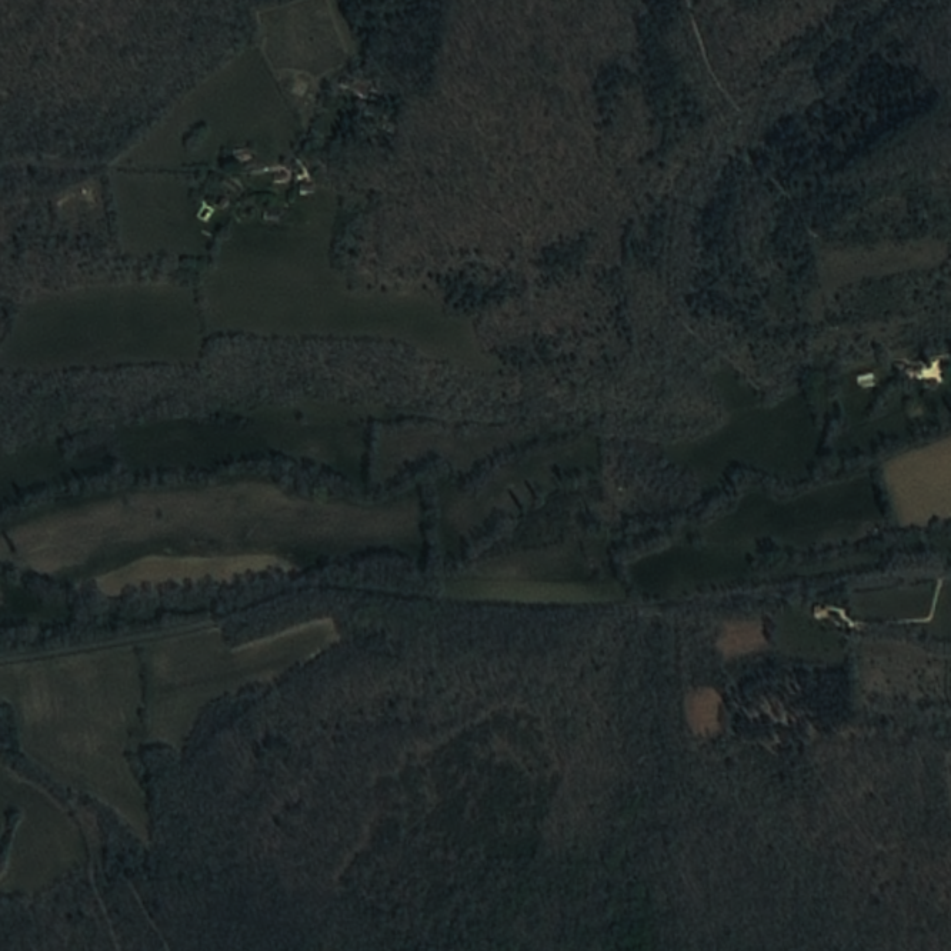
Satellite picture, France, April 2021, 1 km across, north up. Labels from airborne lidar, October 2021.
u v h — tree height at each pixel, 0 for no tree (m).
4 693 0
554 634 14
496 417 16
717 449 0
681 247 9
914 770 16
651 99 15
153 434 0
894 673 0
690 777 16
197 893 20
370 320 0
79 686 0
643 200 7
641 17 21
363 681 12
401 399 16
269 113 0
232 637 16
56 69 12
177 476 12
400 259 16
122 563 0
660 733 16
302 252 0
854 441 0
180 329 0
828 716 18
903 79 11
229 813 16
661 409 11
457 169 14
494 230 11
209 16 20
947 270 11
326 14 0
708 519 15
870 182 11
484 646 13
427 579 21
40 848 0
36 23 11
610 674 9
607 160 6
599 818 15
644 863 16
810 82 16
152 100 16
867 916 12
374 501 12
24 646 12
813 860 13
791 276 9
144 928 12
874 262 0
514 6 13
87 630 17
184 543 0
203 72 16
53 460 0
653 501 6
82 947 9
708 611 11
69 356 0
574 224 8
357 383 14
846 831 12
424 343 0
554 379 7
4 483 0
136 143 13
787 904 15
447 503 0
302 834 11
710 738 10
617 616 14
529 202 8
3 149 14
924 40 12
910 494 0
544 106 5
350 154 16
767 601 11
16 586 19
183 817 22
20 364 0
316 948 19
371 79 6
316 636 0
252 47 16
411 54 15
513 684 11
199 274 8
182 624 11
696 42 11
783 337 11
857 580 12
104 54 13
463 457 0
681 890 14
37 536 0
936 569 17
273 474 18
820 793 10
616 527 7
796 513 0
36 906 12
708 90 14
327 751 15
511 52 13
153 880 12
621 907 22
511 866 13
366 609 15
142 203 0
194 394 17
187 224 0
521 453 13
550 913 15
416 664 14
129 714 0
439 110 10
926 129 13
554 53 12
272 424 0
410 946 12
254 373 15
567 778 14
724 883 10
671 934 15
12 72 10
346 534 0
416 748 12
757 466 0
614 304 8
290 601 18
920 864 9
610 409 10
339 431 0
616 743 12
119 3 13
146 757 17
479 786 8
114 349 0
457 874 10
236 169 18
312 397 19
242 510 0
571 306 10
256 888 14
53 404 16
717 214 15
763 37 10
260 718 13
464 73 12
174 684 0
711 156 13
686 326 10
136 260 14
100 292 0
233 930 20
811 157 17
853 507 0
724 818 10
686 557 0
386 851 10
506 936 16
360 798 12
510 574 0
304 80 0
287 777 12
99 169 7
